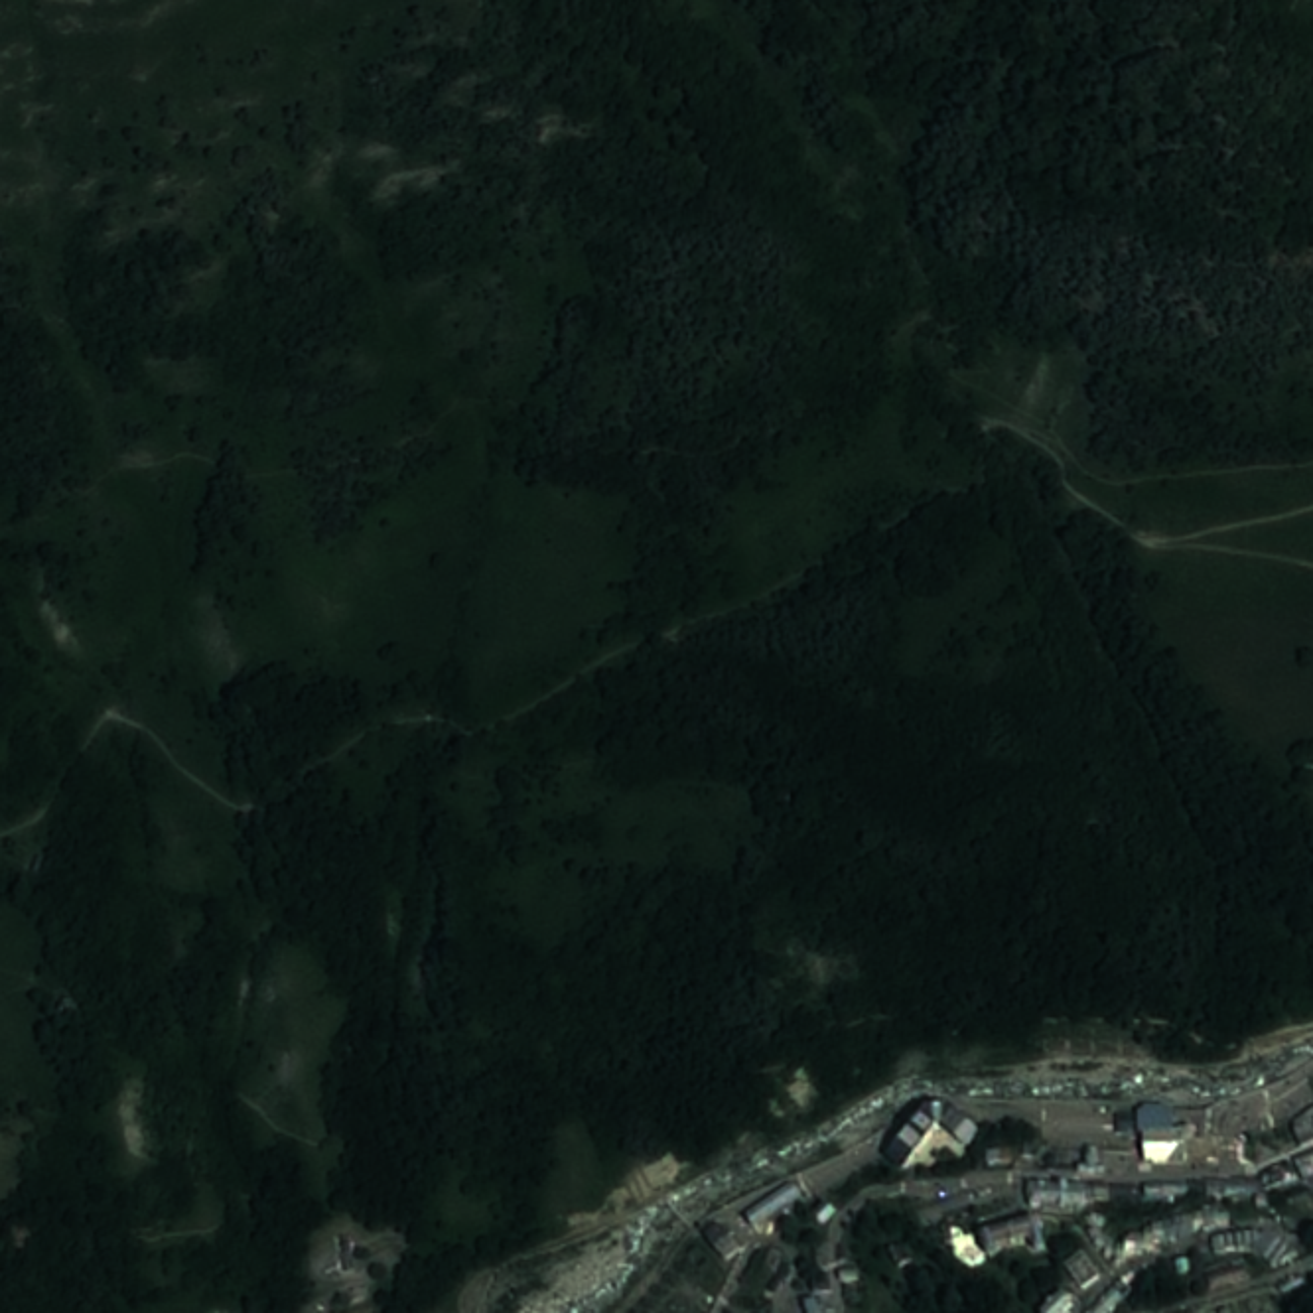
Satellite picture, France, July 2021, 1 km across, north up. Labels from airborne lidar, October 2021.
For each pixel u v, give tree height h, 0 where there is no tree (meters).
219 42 0
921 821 15
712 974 20
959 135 18
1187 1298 11
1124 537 13
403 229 11
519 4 16
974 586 0
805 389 9
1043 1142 0
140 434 15
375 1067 18
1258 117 14
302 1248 17
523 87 7
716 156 26
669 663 16
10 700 10
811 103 12
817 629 25
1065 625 11
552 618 0
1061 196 14
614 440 14
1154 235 22
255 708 28
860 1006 9
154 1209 16
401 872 15
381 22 8
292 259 21
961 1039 7
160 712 0
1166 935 16
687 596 9
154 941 9
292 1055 0
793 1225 17
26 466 12
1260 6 17
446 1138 19
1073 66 16
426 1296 12
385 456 7
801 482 0
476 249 13
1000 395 0
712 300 7
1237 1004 20
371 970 18
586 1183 0
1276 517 0
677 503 9
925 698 8
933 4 13
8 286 11
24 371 12
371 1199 15
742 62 6
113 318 8
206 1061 10
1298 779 14
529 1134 16
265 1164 8
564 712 10
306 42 0
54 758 7
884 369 7
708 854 0
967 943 13
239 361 8
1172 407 19
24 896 23
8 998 0
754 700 11
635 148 20
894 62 18
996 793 10
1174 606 0
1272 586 0
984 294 15
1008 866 10
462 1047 8
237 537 15
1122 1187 0
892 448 0
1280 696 0
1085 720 17
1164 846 12
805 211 16
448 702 6
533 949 8
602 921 6
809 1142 0
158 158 7
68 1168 9
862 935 18
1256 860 16
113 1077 13
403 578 0
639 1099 16
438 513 0
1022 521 20
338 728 17
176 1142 7
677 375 17
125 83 0
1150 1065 0
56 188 0
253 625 0
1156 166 19
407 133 15
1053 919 25
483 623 0
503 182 16
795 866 12
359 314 8
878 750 12
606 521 0
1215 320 21
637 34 23
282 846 18
